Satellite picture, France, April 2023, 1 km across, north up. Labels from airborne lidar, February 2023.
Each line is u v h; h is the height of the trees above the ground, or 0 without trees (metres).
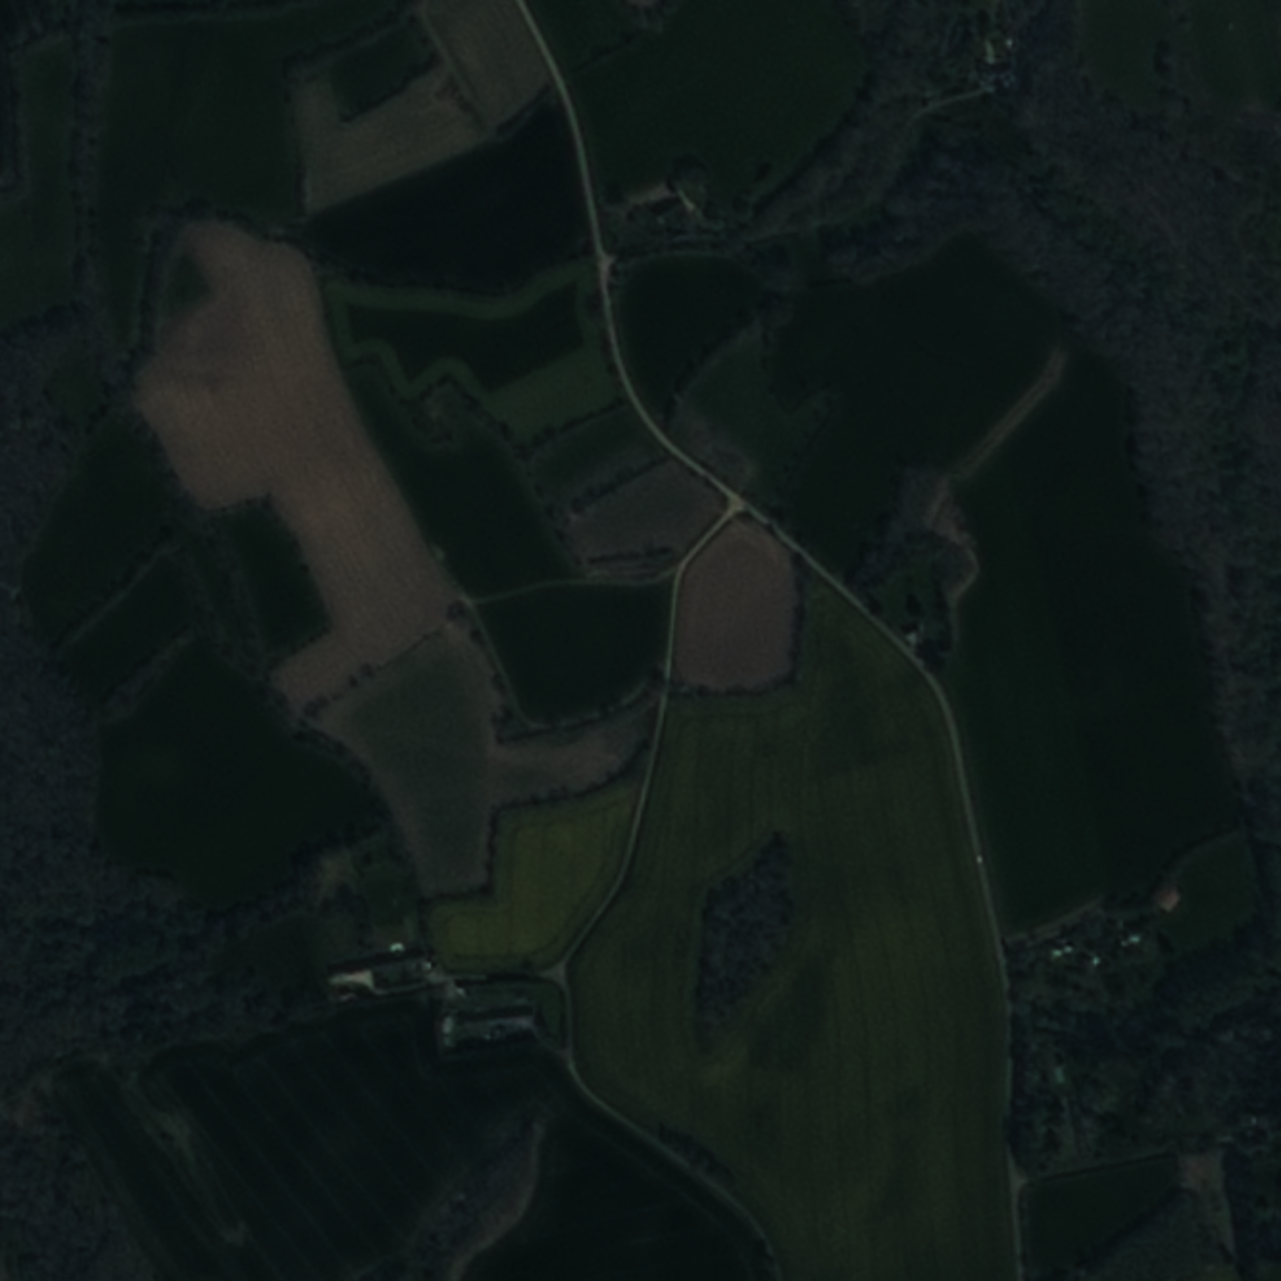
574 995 0
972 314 0
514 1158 11
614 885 0
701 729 0
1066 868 0
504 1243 0
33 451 19
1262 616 9
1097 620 0
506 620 0
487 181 0
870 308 0
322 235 0
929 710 0
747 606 0
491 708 0
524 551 0
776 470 0
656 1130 0
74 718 21
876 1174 0
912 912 0
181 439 0
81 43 12
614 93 0
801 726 0
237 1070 0
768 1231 0
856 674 0
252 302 0
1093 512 0
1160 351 28
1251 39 0
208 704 0
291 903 9
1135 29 0
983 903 0
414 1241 0
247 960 0
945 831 0
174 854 0
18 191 11
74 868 14
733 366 0
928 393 0
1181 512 28
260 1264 0
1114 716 0
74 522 0
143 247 8
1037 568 0
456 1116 0
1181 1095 10
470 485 0
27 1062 9
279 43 0
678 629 0
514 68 0
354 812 0
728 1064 0
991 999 0
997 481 0
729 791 0
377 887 0
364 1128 0
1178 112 9
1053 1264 0
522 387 0
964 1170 0
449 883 0
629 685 0
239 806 0
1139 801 0
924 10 20
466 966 0
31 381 20
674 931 0
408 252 0
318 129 0
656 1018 0
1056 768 0
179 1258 0
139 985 21
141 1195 0
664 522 0
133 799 0
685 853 0
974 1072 0
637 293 0
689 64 0
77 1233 18
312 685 0
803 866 0
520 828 0
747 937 19
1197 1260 12
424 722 0
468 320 0
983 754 0
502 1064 0
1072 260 24
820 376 0
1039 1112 12
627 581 0
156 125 0
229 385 0
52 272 0
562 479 0
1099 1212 0
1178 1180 8
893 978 0
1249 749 28
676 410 10
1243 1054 19
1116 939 7
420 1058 0
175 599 0
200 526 11
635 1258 0
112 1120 0
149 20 7
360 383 0
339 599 0
